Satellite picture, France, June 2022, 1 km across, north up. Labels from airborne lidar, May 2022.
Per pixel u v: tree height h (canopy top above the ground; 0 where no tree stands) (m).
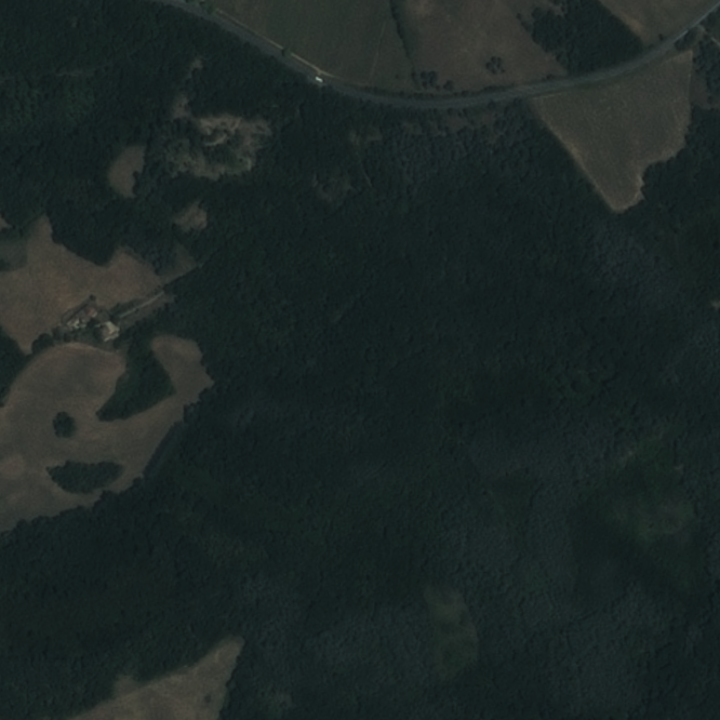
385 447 18
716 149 22
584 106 0
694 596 8
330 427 18
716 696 16
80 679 19
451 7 0
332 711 19
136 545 8
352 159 17
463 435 8
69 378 0
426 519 20
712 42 11
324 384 23
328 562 15
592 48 14
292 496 15
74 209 23
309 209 13
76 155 26
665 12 0
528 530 16
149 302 0
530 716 8
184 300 14
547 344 17
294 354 17
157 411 0
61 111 16
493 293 14
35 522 11
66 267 0
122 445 0
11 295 0
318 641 21
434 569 21
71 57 17
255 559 13
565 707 24
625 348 16
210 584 20
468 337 14
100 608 12
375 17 0
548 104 0
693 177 13
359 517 17
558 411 18
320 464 17
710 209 24
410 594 15
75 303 0
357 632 22
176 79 22
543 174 16
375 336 23
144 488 26
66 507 0
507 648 12
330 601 15
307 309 20
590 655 21
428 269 19
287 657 16
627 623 23
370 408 18
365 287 20
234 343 19
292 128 18
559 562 18
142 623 8
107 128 24
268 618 22
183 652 16
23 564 23
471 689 17
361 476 16
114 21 20
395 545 21
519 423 9
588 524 13
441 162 20
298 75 12
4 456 0
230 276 18
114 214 20
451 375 16
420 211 16
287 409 12
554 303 15
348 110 24
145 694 0
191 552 28
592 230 25
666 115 0
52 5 15
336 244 20
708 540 23
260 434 19
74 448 0
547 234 15
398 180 8
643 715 23
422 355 17
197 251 14
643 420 24
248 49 17
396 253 18
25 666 19
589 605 11
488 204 17
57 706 16
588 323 26
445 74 0
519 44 0
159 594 10
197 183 20
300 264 13
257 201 16
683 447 12
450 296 15
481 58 0
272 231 18
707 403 19
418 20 0
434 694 17
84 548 26
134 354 10
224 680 0
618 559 14
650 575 16
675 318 12
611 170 0
